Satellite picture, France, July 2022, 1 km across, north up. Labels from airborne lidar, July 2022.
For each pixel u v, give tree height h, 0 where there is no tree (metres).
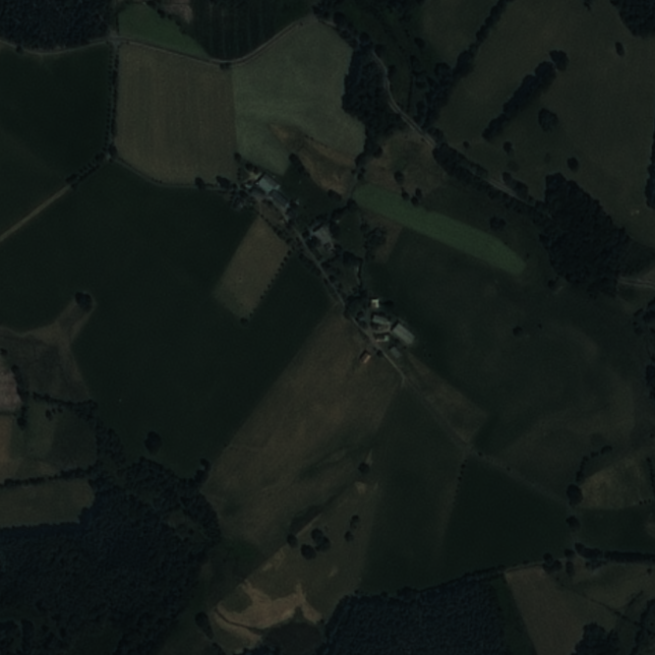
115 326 0
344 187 0
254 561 0
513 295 0
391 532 0
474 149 0
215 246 0
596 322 0
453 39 0
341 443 0
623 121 0
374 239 14
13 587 25
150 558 21
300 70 0
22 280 0
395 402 0
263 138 0
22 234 0
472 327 0
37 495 0
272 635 0
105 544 23
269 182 0
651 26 23
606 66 0
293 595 0
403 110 9
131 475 7
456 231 0
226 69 9
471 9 0
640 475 0
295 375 0
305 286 0
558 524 0
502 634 26
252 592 0
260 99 0
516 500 0
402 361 0
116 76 16
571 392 0
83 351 0
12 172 0
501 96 0
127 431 0
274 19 0
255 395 0
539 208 15
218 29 0
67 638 20
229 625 0
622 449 0
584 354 0
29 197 0
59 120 0
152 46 0
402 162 0
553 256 17
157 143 0
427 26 0
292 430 0
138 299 0
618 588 0
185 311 0
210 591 0
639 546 0
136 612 20
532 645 0
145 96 0
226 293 0
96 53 0
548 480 0
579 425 0
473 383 0
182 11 0
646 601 0
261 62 0
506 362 0
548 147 0
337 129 0
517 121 0
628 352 0
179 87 0
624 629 0
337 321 0
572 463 0
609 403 0
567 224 22
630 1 20
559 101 0
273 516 0
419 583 0
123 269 0
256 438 0
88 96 0
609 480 0
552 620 0
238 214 0
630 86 0
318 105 0
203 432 0
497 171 0
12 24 21
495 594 10
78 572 21
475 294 0
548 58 0
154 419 0
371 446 0
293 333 0
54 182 0
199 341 0
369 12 8
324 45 0
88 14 23
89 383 0
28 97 0
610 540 0
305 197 0
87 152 0
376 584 0
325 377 0
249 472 0
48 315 0
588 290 22
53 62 0
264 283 0
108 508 29
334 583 0
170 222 0
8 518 0
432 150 0
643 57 0
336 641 28
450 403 0
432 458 0
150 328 0
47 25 21
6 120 0
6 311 0
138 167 0
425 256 0
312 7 0
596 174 0
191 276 0
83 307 16
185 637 0
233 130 0
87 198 0
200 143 0
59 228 0
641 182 0
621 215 0
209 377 0
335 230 18
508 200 13
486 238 0
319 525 0
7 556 27
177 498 15
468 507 0
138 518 21
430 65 0
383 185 0
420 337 0
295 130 0
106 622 11
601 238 18
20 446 0
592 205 23
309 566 0
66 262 0
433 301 0
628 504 0
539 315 0
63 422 0
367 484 0
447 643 22
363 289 8
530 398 0
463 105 0
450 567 0
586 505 0
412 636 20
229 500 0
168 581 21
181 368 0
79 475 16
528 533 0
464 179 18
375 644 24
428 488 0
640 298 0
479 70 0
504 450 0
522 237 0
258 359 0
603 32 0
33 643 7
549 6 0
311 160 0
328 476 0
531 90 30
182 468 0
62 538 22
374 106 11
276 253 0
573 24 0
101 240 0
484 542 0
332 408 0
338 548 0
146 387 0
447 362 0
